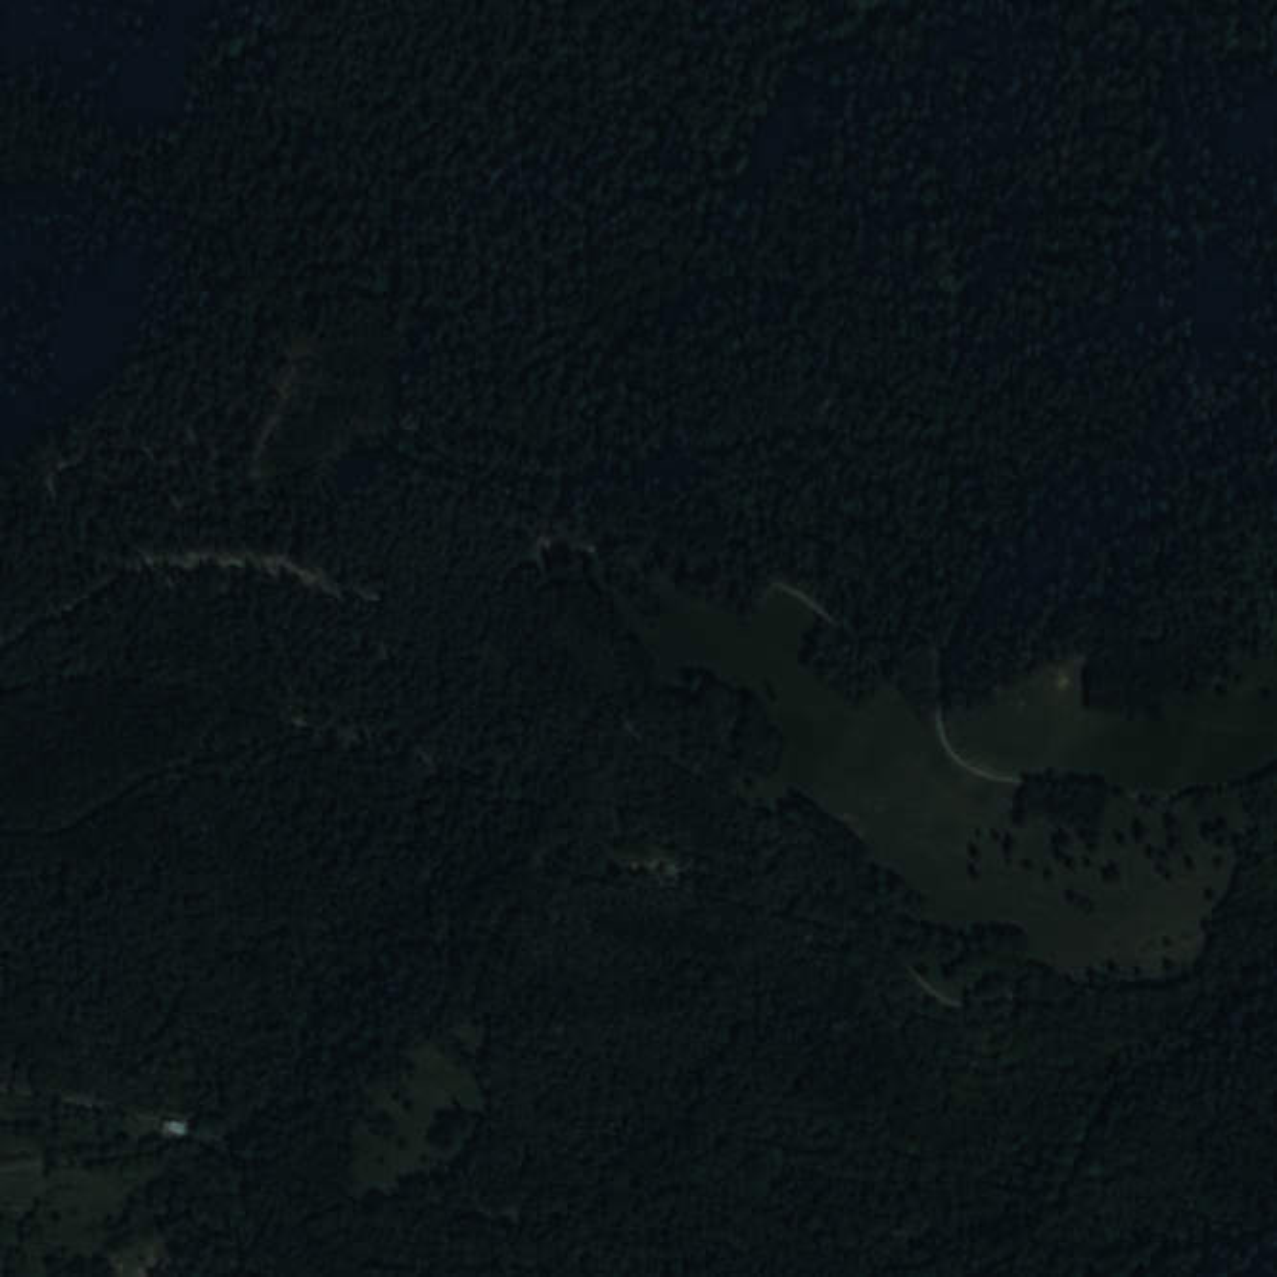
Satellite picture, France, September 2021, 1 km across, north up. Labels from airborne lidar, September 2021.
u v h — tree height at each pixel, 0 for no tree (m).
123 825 24
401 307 12
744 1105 24
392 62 32
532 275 21
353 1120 20
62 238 29
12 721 18
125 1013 17
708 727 19
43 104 29
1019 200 26
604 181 33
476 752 23
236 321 14
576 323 25
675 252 32
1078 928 0
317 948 24
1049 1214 30
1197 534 24
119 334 21
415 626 23
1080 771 0
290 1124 23
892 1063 17
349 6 27
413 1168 0
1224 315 30
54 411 29
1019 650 23
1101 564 31
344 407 5
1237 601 19
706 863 14
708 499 27
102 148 23
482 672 27
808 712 0
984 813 0
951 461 27
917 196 29
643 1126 24
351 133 26
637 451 21
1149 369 29
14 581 25
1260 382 36
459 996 20
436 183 29
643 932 25
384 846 26
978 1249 35
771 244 31
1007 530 28
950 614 27
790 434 24
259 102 20
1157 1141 25
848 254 33
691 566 19
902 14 29
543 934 20
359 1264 19
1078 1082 25
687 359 32
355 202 32
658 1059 25
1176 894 0
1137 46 19
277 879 28
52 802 22
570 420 29
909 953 23
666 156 25
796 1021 24
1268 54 17
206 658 27
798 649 0
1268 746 0
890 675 18
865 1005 19
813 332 30
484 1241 24
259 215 16
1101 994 15
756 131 10
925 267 34
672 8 26
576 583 18
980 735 0
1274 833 16
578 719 24
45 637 27
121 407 27
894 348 24
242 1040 23
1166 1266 36
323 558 27
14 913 26
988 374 34
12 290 28
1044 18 29
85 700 21
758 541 20
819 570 23
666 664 0
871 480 26
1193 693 18
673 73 12
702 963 24
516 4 38
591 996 27
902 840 0
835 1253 26
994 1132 26
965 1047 9
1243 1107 25
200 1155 26
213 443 31
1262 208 22
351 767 21
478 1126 16
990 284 31
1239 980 27
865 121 39
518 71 25
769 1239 26
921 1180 23
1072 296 30
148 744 22
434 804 28
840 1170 22
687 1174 25
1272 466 27
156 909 28
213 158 19
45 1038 17
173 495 13
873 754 0
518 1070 25
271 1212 22
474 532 10
